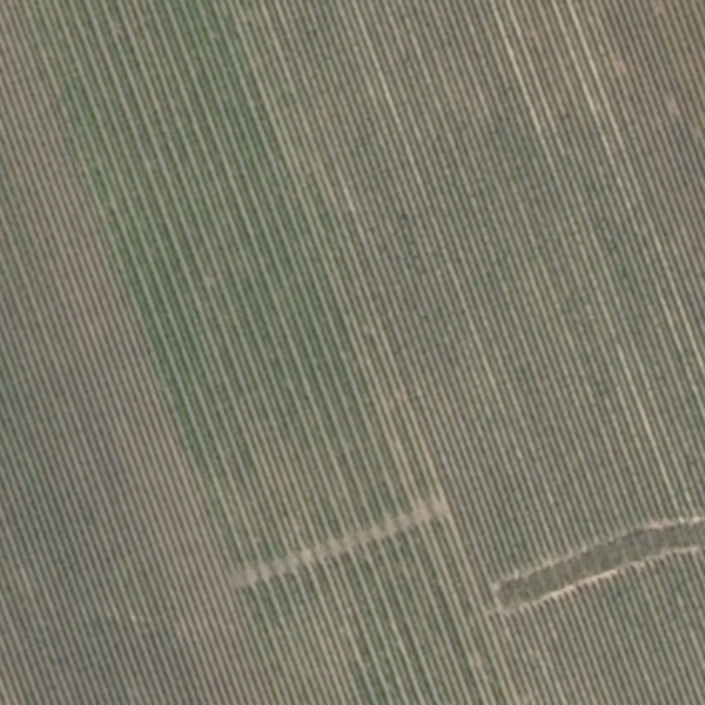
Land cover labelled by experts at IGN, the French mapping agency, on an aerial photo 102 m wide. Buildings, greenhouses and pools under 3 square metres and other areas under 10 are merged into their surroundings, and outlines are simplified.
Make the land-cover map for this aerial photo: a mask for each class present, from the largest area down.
<instances>
[{"label":"vineyard","instance_id":"1","mask_svg":"<svg viewBox=\"0 0 705 705\"><path fill-rule=\"evenodd\" d=\"M0 705H705V0H0Z\"/></svg>","mask_w":705,"mask_h":705}]
</instances>
